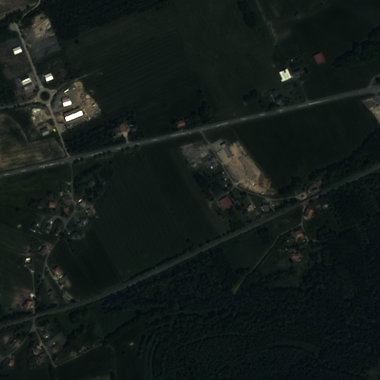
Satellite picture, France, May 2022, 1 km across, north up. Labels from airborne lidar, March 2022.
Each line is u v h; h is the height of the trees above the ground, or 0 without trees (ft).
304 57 0
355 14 0
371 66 0
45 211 22
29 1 0
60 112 0
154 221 0
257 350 41
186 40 0
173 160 0
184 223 0
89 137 25
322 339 56
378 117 0
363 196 28
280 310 59
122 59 0
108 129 76
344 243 72
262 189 0
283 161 0
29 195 0
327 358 76
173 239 0
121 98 0
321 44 0
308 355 35
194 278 70
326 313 36
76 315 68
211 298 75
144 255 0
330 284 67
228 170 0
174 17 0
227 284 65
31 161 0
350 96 0
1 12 0
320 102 0
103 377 0
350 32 0
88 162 0
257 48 0
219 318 55
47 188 0
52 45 0
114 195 0
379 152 72
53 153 0
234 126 0
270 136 0
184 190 0
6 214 0
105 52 0
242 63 0
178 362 23
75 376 0
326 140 0
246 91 0
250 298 93
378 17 0
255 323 52
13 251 0
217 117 0
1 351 0
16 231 0
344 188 29
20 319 38
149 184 0
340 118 0
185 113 0
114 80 0
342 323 68
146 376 0
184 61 0
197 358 20
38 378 0
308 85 0
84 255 0
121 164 0
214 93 0
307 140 0
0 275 0
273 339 36
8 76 0
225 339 25
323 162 0
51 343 0
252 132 0
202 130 0
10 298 0
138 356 34
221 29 0
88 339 0
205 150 0
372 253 73
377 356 97
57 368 0
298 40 0
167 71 0
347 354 73
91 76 0
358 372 70
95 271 0
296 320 63
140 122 0
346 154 0
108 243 0
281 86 0
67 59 0
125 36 0
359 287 57
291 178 0
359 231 60
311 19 0
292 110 0
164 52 0
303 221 0
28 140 0
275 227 0
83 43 0
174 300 80
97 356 0
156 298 68
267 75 0
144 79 0
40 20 0
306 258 0
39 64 0
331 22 0
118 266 0
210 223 0
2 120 0
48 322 55
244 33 0
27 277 0
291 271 36
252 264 0
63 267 0
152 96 0
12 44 0
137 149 42
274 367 42
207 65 0
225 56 0
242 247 0
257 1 0
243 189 0
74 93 0
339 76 0
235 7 0
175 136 0
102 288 0
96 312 0
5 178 0
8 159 0
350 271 76
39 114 0
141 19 0
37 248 0
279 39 0
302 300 64
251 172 0
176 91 0
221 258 70
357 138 0
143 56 0
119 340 0
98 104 0
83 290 0
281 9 0
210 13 0
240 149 0
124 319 0
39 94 0
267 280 47
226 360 27
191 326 33
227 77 0
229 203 0
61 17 50
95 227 0
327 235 58
